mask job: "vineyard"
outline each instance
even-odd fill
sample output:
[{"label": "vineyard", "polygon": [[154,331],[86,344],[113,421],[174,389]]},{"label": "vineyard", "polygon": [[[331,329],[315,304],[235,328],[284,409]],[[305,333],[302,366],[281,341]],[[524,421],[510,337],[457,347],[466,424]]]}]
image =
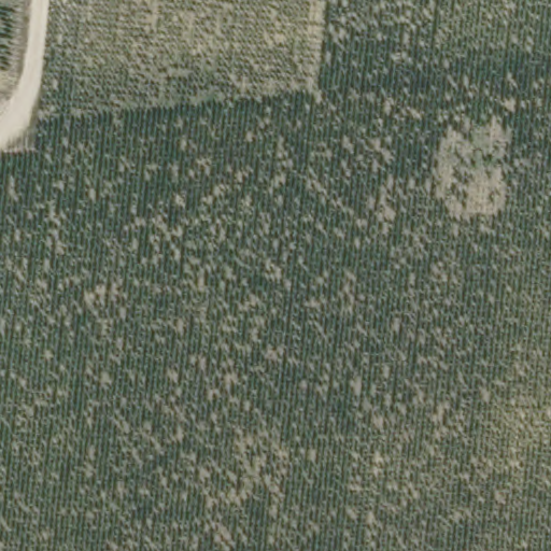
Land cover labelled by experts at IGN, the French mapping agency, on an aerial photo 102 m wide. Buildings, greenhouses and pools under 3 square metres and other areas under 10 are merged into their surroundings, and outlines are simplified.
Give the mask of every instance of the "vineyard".
[{"label": "vineyard", "polygon": [[0,153],[0,551],[551,551],[551,0],[50,0],[39,97],[32,105],[28,127],[17,138],[13,138]]},{"label": "vineyard", "polygon": [[24,73],[30,26],[30,0],[0,0],[0,101],[11,99]]}]

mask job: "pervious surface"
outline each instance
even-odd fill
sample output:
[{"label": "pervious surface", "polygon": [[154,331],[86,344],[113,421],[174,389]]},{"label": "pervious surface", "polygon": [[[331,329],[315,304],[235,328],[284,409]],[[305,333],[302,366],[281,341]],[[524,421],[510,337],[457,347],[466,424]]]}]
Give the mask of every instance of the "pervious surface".
[{"label": "pervious surface", "polygon": [[17,138],[28,127],[32,105],[39,97],[50,0],[30,0],[30,26],[24,73],[11,99],[0,101],[0,153],[13,138]]}]

